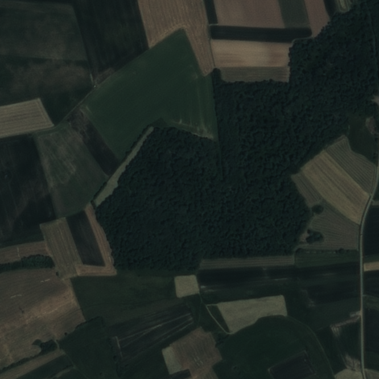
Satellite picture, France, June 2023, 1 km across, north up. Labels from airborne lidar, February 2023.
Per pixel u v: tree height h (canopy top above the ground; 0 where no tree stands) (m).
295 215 28
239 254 21
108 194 0
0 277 0
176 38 0
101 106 0
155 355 0
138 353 0
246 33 0
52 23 0
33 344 0
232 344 0
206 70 0
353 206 0
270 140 22
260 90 21
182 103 0
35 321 0
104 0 0
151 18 0
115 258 13
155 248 21
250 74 0
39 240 0
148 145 15
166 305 0
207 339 0
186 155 28
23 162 0
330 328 0
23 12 0
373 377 0
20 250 0
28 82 0
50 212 0
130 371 0
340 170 0
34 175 0
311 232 15
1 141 0
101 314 0
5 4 0
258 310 0
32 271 0
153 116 0
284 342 0
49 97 0
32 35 0
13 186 0
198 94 0
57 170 0
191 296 0
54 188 0
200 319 0
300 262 0
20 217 0
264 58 0
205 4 0
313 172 0
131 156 0
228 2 0
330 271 0
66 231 0
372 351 0
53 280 0
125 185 17
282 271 0
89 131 0
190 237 27
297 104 28
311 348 0
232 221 28
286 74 0
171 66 0
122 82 0
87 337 0
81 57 0
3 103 0
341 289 0
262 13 0
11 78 0
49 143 0
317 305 0
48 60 0
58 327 0
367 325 0
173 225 28
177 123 0
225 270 0
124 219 17
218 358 0
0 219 0
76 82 0
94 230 0
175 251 27
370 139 0
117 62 0
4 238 0
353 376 0
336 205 0
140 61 0
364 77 25
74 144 0
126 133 0
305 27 0
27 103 0
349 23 22
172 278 0
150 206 26
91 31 0
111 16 0
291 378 0
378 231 0
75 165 0
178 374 0
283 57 0
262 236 24
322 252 9
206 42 0
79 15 0
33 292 0
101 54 0
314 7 0
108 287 0
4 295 0
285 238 19
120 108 0
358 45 21
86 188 0
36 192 0
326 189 0
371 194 0
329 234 0
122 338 0
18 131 0
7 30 0
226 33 0
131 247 26
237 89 20
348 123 15
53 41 0
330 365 0
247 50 0
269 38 0
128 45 0
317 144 23
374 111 18
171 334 0
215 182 24
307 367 0
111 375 0
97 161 0
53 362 0
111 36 0
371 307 0
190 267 12
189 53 0
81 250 0
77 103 0
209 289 0
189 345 0
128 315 0
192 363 0
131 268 17
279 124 27
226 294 0
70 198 0
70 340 0
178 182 29
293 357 0
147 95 0
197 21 0
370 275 0
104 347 0
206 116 0
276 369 0
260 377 0
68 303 0
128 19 0
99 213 14
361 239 0
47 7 0
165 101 0
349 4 0
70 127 0
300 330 0
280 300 0
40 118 0
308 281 0
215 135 0
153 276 0
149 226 30
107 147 0
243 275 0
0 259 0
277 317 0
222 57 0
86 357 0
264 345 0
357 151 0
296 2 0
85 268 0
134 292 0
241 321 0
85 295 0
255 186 26
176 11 0
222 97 13
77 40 0
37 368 0
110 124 0
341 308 0
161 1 0
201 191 28
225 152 11
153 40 0
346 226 0
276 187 25
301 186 0
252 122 20
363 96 18
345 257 0
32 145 0
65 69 0
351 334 0
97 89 0
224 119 18
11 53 0
